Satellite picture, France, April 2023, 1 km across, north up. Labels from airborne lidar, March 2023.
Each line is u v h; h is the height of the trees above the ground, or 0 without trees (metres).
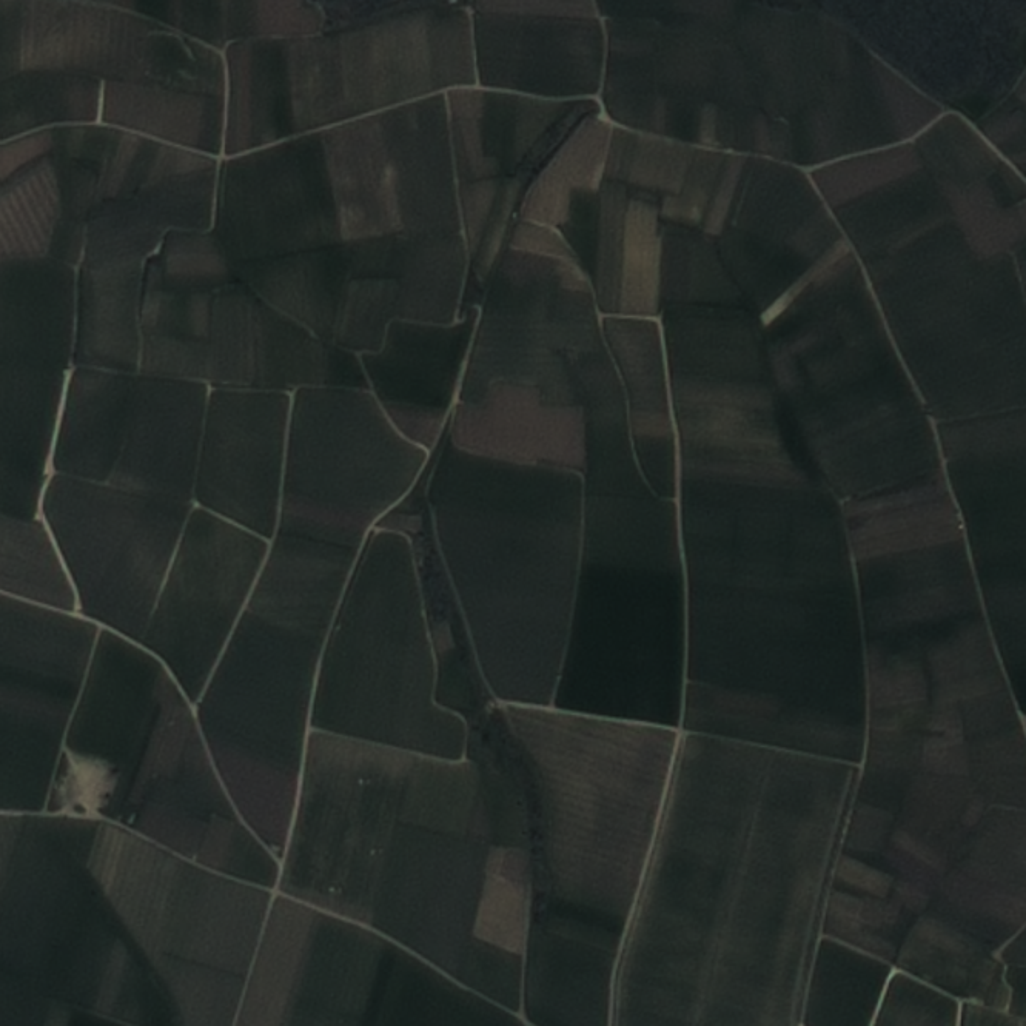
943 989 0
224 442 0
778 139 0
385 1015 0
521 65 0
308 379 0
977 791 0
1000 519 0
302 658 0
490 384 0
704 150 0
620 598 0
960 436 0
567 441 0
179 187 0
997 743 0
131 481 0
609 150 0
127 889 0
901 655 0
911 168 0
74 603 0
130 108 0
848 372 0
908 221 0
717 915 0
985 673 0
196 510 0
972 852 0
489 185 0
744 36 0
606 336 0
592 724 0
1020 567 0
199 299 0
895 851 0
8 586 0
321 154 0
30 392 0
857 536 0
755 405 0
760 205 0
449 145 0
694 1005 0
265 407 0
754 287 0
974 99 0
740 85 0
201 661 0
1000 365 0
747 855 0
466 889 0
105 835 0
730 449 0
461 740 0
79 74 0
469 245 0
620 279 0
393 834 0
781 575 0
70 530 0
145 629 0
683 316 0
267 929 0
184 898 0
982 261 0
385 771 0
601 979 0
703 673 0
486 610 0
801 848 0
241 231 0
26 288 0
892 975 0
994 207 0
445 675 0
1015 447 0
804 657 0
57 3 0
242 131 0
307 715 0
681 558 0
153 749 0
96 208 0
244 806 0
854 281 0
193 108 0
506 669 0
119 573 0
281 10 0
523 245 0
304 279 0
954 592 0
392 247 0
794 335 0
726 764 0
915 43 23
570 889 0
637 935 0
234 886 0
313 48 0
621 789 0
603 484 0
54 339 0
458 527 0
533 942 0
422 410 0
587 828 0
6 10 0
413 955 0
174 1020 0
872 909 0
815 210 0
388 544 0
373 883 0
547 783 0
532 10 0
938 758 0
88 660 0
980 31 25
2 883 0
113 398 0
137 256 0
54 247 0
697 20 0
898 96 0
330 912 0
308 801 0
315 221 0
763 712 0
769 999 0
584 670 0
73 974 0
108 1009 0
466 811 0
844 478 0
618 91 0
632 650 0
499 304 0
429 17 0
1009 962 0
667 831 0
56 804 0
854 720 0
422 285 0
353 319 0
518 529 0
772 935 0
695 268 0
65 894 0
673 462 0
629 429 0
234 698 0
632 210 0
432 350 0
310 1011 0
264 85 0
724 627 0
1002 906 0
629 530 0
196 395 0
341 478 0
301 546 0
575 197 0
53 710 0
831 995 0
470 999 0
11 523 0
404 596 0
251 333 0
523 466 0
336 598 0
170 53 0
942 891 0
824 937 0
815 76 0
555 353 0
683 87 0
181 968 0
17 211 0
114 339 0
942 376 0
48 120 0
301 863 0
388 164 0
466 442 0
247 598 0
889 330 0
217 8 0
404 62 0
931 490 0
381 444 0
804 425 0
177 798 0
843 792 0
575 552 0
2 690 0
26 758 0
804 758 0
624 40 0
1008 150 0
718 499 0
